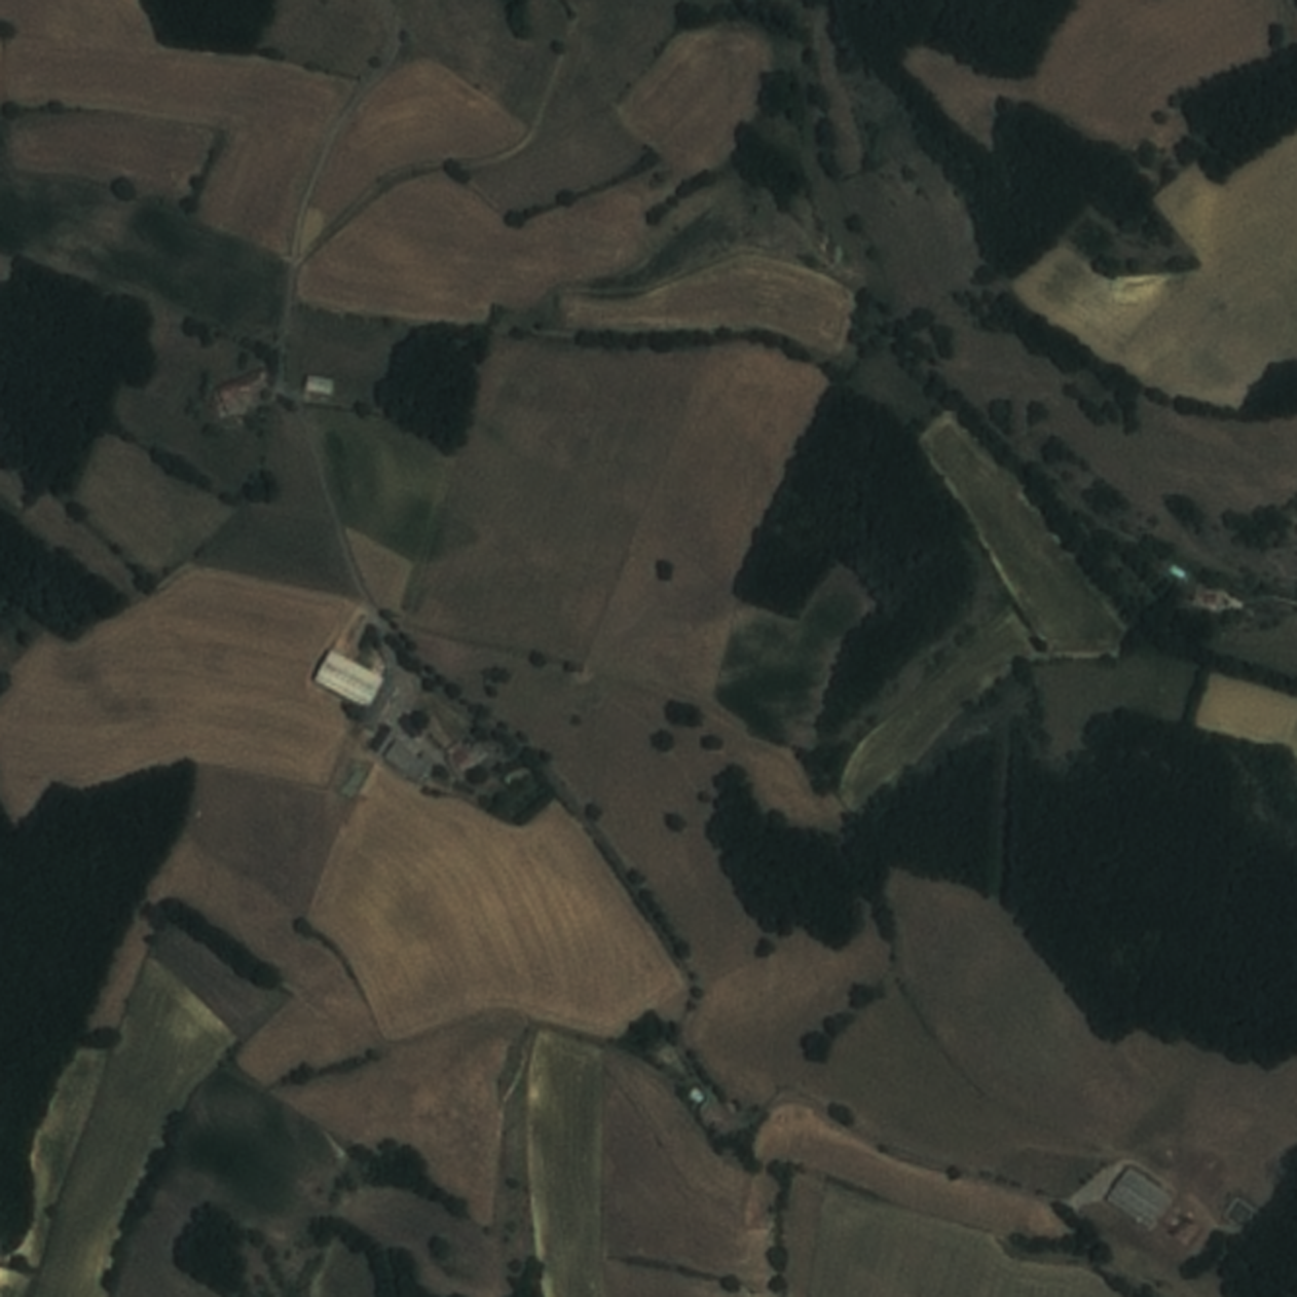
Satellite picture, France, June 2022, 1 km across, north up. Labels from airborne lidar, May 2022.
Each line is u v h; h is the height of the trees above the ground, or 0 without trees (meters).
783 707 0
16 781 0
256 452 0
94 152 0
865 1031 0
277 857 0
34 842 16
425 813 0
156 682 0
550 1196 0
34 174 0
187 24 8
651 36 0
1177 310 0
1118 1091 0
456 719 0
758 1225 0
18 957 12
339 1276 0
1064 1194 0
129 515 0
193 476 16
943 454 0
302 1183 0
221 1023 0
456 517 0
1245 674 13
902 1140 0
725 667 0
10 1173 14
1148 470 0
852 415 10
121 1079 0
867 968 0
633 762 0
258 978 20
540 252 0
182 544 0
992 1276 0
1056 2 17
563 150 0
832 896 21
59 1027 17
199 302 0
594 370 0
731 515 0
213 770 0
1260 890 15
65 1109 0
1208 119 15
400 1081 0
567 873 0
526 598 0
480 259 0
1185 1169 0
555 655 0
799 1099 0
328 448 0
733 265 0
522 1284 8
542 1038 0
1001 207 9
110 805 17
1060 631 0
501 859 0
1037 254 13
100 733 0
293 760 0
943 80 0
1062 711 0
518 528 0
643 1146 0
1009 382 0
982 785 11
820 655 0
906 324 11
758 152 17
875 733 0
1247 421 11
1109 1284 8
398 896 0
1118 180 13
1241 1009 20
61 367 20
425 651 0
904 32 18
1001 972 0
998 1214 0
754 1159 7
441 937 0
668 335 17
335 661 0
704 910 0
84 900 15
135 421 0
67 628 9
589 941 0
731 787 16
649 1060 6
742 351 0
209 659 0
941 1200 0
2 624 19
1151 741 12
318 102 0
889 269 0
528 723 0
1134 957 16
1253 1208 0
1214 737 11
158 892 0
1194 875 14
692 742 0
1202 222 0
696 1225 0
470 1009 0
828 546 14
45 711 0
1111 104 0
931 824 16
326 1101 0
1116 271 12
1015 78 15
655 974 0
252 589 0
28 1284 0
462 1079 0
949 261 0
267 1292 6
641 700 0
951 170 12
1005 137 16
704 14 15
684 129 0
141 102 0
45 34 0
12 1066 14
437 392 18
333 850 0
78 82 0
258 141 0
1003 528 0
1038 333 16
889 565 11
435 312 0
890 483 12
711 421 0
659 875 0
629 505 0
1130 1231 0
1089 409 12
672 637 0
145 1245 0
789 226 0
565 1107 0
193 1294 0
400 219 0
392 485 0
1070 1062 0
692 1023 0
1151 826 12
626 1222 0
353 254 0
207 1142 0
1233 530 11
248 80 0
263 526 0
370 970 0
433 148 0
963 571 8
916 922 0
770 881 17
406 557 0
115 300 13
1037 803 10
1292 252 0
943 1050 0
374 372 0
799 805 0
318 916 0
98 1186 0
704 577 0
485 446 0
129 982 0
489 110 0
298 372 0
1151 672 0
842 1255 0
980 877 14
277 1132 0
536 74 0
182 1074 0
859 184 0
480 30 0
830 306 0
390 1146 10
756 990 0
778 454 0
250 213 0
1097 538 9
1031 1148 0
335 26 0
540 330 8
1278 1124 0
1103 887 13
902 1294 0
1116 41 0
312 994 0
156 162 0
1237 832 12
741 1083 0
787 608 12
